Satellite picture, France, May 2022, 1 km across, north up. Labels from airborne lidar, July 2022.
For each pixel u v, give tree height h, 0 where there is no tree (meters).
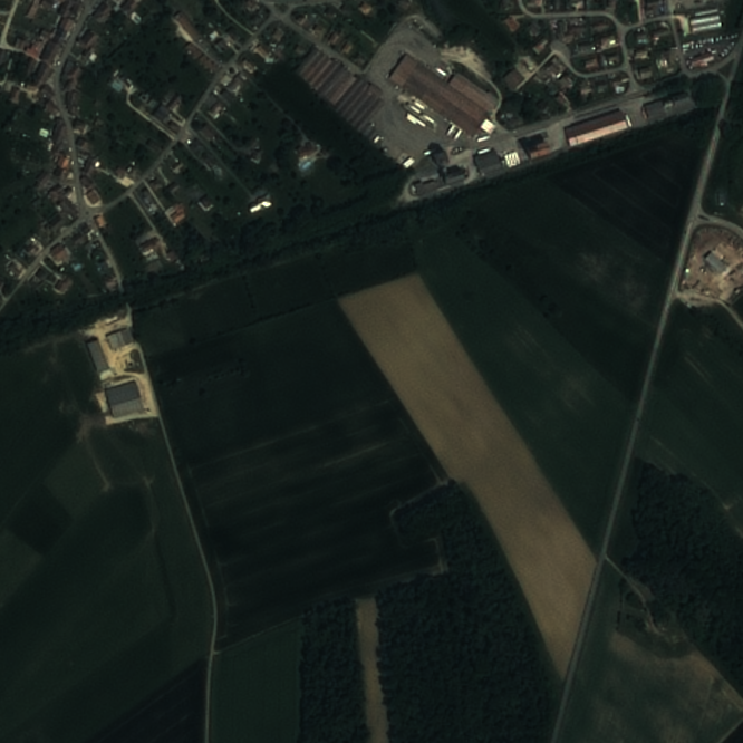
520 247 0
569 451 0
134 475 0
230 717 0
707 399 0
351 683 15
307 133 13
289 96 0
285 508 0
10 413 0
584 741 0
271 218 0
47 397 0
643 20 0
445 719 18
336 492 0
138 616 0
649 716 0
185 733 0
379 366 0
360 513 0
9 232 0
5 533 0
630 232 0
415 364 0
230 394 0
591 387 0
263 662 0
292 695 0
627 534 0
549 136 0
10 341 17
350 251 12
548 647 0
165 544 0
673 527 24
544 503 0
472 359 0
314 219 16
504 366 0
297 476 0
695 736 0
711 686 0
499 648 27
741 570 23
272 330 0
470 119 0
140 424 0
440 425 0
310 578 0
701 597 20
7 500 0
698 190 0
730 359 0
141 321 9
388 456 0
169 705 0
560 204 0
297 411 0
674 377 0
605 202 0
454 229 0
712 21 0
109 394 0
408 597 20
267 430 0
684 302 0
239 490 0
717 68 0
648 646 0
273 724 0
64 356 0
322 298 0
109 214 0
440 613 22
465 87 0
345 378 0
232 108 0
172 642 0
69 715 0
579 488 0
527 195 0
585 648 0
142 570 0
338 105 0
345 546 0
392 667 23
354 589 0
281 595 0
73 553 0
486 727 26
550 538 0
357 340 0
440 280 0
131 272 0
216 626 0
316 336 0
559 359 0
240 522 0
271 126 0
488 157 0
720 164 0
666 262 0
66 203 0
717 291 0
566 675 0
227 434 0
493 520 0
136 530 0
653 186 0
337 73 0
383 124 0
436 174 0
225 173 0
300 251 17
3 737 0
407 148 0
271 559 0
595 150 11
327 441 0
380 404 0
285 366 0
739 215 0
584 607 0
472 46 0
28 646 0
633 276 0
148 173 0
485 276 0
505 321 0
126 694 0
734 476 0
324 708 22
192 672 0
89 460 0
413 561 0
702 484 0
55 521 0
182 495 0
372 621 0
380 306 0
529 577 0
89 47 0
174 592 0
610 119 0
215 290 0
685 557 24
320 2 0
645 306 0
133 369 0
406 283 0
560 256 0
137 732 0
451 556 12
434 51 0
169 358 0
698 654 0
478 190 9
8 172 0
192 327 0
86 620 0
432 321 0
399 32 0
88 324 13
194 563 0
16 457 0
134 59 6
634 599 8
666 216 0
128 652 0
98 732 0
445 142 0
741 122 10
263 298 0
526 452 0
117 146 7
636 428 0
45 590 0
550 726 9
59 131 0
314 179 0
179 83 11
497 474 0
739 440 0
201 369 0
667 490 25
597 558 0
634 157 0
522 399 0
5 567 0
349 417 0
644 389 0
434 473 0
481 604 27
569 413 0
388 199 20
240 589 0
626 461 0
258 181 12
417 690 23
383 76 0
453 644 17
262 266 19
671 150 0
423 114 0
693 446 0
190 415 0
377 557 0
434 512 24
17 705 0
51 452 0
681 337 0
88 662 0
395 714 20
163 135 10
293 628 0
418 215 17
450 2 0
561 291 0
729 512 0
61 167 0
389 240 17
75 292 0
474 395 0
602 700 0
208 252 18
